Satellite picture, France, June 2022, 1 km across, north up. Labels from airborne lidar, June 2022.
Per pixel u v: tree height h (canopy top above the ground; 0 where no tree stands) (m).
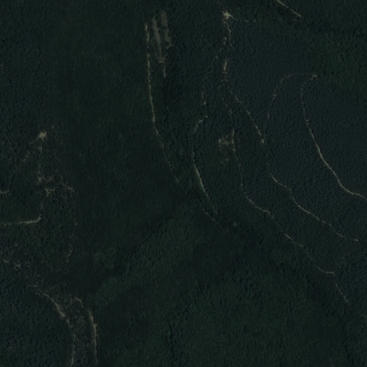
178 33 17
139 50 13
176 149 20
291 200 9
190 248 16
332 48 18
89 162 9
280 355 16
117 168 8
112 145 10
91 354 12
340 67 9
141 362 10
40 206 12
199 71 13
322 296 20
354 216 7
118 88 12
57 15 8
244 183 15
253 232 21
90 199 7
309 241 13
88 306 7
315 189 13
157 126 15
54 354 15
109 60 7
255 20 9
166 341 13
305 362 7
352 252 13
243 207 8
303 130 14
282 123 11
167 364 13
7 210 12
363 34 21
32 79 14
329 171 16
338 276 11
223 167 11
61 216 8
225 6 9
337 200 13
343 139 13
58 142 6
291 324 16
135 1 6
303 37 10
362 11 10
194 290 14
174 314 19
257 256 9
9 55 14
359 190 14
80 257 14
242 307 11
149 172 13
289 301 10
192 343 12
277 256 18
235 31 8
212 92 11
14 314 7
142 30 10
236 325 9
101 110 11
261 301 8
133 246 9
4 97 13
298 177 13
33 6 8
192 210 10
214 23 14
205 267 12
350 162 14
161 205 13
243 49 9
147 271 15
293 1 10
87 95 11
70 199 10
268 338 9
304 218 9
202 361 9
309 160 12
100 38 9
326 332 15
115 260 12
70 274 10
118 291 15
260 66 14
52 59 8
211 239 10
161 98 9
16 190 14
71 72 8
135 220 13
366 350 14
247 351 18
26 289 18
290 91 13
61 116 9
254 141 10
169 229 16
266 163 8
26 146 9
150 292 11
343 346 12
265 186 12
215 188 11
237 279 15
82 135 11
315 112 12
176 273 12
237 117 15
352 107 16
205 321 14
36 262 10
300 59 17
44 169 10
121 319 9
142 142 9
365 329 17
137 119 12
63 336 7
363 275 14
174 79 14
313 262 9
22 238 8
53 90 10
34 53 12
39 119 11
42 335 12
